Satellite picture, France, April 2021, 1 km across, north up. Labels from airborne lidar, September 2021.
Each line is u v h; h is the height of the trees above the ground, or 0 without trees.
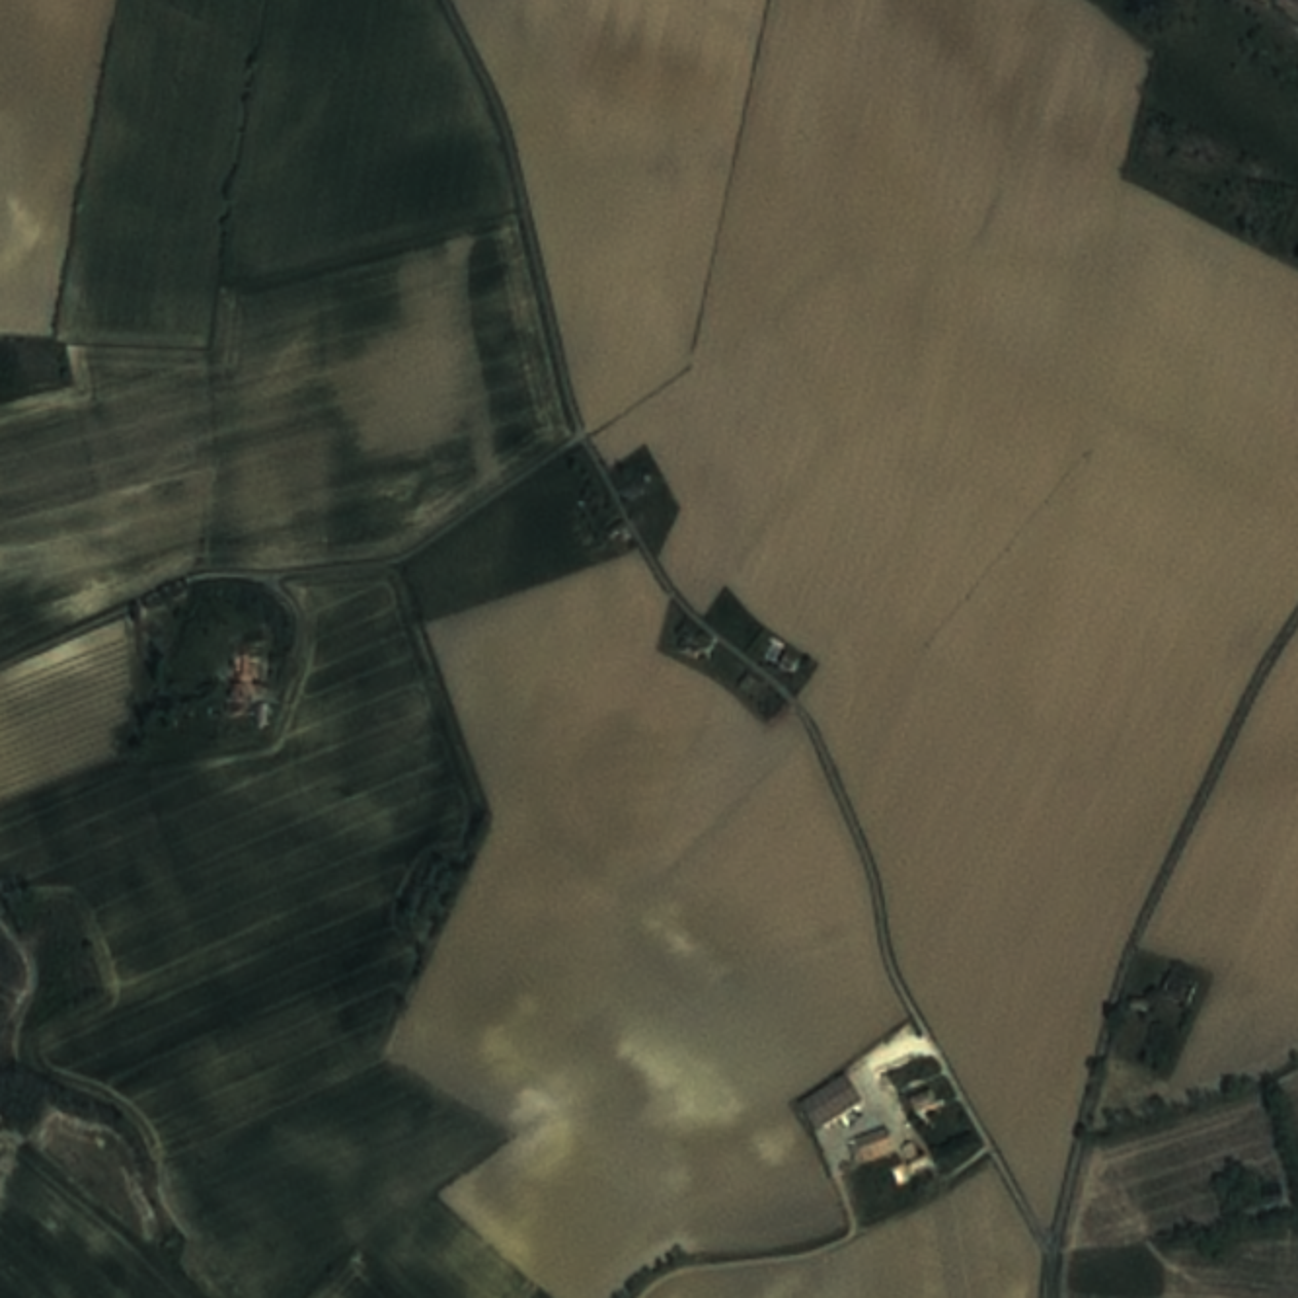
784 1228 0
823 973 0
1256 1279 0
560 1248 0
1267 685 0
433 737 0
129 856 0
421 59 0
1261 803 0
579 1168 0
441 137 0
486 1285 0
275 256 0
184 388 0
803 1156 0
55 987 6
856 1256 0
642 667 0
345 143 0
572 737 0
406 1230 0
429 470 0
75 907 0
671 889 0
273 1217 0
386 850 0
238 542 0
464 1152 0
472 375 0
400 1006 10
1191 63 0
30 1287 0
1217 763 0
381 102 0
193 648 0
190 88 0
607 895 0
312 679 0
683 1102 0
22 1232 0
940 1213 0
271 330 0
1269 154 0
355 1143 0
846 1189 0
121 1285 0
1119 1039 7
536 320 0
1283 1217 12
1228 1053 0
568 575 0
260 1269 0
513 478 0
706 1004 0
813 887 0
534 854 0
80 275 0
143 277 0
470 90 0
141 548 0
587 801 0
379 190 0
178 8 0
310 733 0
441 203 0
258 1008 0
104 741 0
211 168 0
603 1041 0
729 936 0
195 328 0
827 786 0
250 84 7
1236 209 7
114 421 0
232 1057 0
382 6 0
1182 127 7
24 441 0
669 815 0
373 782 0
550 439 0
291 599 0
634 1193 0
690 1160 0
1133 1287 0
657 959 0
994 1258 0
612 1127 0
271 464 0
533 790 0
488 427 0
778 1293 0
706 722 0
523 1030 0
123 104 0
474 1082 0
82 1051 0
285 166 0
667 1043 0
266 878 0
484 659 0
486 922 0
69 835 0
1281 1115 17
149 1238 0
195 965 0
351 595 0
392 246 0
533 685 0
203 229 0
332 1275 9
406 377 0
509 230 0
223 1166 0
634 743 0
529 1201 0
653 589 0
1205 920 0
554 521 0
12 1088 18
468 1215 0
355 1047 0
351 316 0
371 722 0
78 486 0
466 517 0
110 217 0
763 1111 0
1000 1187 0
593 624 0
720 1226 0
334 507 0
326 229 0
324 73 0
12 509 0
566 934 0
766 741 0
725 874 0
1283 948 0
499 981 0
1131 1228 0
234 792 0
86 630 0
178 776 0
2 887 0
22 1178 0
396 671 0
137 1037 0
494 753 0
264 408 0
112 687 0
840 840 0
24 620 0
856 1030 0
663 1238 0
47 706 0
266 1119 0
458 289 0
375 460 0
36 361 0
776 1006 0
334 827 0
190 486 0
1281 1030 0
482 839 15
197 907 0
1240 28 0
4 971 16
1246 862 0
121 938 0
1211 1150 0
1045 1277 0
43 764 0
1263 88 0
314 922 0
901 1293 0
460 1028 0
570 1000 0
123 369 0
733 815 0
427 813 0
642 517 9
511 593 0
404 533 0
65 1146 0
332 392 0
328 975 0
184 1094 0
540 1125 0
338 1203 0
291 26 0
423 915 18
